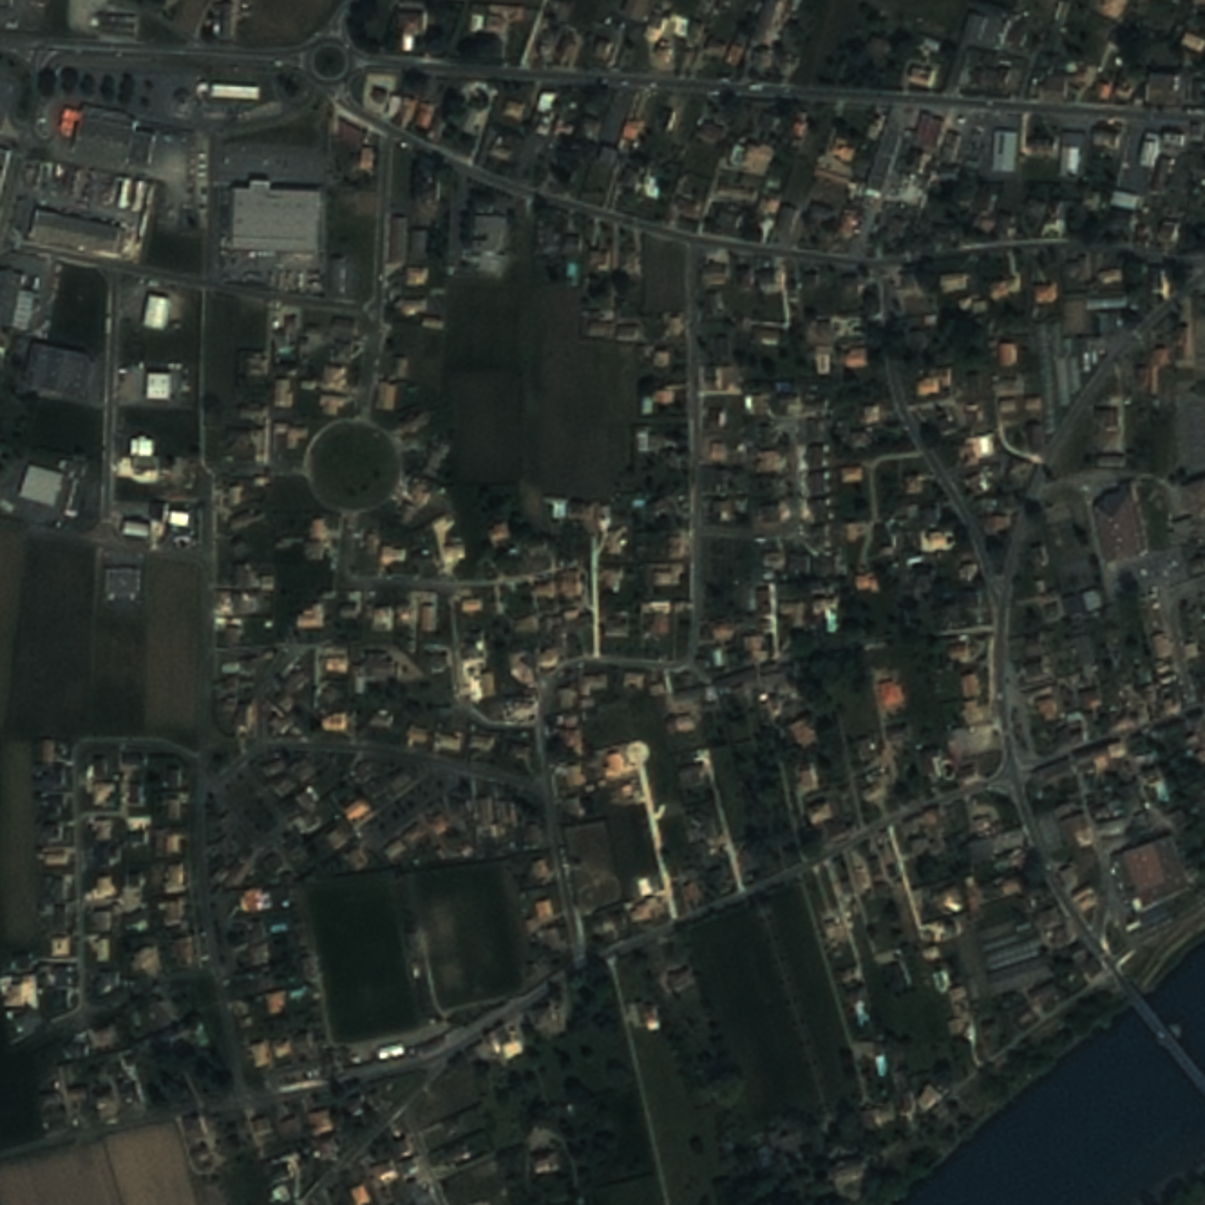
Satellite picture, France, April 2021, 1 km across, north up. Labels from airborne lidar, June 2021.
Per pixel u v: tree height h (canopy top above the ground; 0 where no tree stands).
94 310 0
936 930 0
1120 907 0
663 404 6
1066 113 0
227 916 0
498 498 7
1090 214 7
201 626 0
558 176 12
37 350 0
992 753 0
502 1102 6
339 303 0
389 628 0
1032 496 0
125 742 0
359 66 0
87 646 0
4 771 0
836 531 0
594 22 0
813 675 6
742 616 6
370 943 0
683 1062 7
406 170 0
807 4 0
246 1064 0
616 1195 0
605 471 0
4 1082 0
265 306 0
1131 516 0
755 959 0
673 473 7
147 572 0
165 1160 0
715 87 0
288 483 0
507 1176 8
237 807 0
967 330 17
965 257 0
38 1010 0
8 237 0
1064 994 6
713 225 6
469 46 10
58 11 0
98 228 0
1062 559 0
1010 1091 17
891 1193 28
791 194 0
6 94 0
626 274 8
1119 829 0
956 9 0
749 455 0
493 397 0
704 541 0
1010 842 0
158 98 0
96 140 0
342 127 0
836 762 9
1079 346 0
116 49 0
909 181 0
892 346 14
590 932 6
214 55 0
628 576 6
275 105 0
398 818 6
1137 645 8
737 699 8
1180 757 7
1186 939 0
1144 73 10
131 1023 0
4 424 7
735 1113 7
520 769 6
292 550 0
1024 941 0
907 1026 0
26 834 0
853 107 0
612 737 0
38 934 0
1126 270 7
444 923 0
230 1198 0
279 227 0
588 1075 0
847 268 0
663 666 0
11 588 0
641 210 6
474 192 7
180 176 0
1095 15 0
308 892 0
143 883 0
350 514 0
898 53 16
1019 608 0
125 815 0
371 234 0
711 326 0
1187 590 0
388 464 0
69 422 0
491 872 0
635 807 0
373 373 0
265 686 0
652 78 0
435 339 0
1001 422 0
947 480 0
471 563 0
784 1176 10
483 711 0
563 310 0
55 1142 0
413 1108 0
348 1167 7
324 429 0
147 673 0
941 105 0
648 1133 0
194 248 0
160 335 0
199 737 0
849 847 0
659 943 0
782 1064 0
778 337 11
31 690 0
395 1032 0
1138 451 8
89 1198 0
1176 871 0
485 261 0
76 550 0
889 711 0
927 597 6
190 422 0
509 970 0
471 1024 7
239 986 9
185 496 0
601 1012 9
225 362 0
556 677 0
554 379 0
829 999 0
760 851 18
